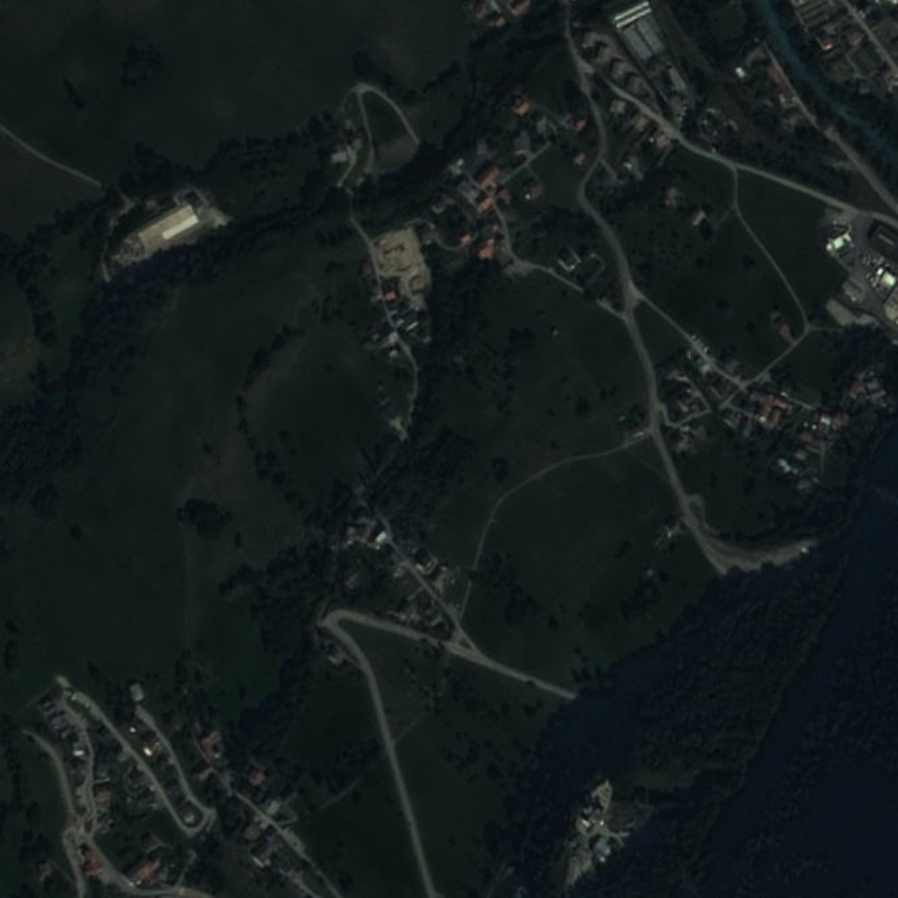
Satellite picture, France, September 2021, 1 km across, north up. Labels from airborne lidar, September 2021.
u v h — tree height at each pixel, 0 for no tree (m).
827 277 0
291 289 0
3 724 24
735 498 0
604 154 0
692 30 19
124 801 6
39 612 0
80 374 7
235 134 0
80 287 0
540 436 0
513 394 7
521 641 0
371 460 0
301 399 0
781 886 19
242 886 0
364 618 0
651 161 13
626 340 0
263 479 11
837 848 23
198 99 0
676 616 0
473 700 8
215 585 0
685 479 0
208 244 10
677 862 28
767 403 0
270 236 8
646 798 12
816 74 25
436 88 10
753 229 0
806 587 9
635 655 0
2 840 12
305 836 0
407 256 0
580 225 9
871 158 26
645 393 0
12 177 0
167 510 0
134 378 0
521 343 15
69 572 0
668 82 6
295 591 16
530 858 8
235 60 0
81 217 13
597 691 9
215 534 10
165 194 10
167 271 25
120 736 0
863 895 28
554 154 0
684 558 0
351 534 0
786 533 12
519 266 0
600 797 0
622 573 0
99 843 0
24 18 0
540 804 24
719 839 6
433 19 0
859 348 17
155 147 0
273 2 0
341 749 0
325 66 0
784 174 6
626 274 0
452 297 17
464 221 8
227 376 0
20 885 0
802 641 20
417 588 0
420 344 9
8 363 0
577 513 0
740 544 9
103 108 0
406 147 0
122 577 0
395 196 25
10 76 0
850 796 17
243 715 0
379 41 0
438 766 0
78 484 0
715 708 22
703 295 0
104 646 0
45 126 0
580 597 0
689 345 0
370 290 7
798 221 0
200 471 0
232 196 0
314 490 0
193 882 11
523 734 0
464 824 0
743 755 21
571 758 22
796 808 27
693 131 13
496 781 17
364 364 0
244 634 0
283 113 0
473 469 0
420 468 7
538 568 0
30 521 0
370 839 0
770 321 0
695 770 17
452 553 0
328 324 9
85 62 0
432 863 0
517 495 0
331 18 0
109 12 0
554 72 0
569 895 0
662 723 24
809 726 21
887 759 21
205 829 0
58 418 25
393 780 0
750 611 19
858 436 0
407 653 0
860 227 0
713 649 17
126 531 0
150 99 0
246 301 0
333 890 0
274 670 0
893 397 11
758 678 25
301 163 0
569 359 0
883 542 6
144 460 0
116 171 0
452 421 0
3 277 10
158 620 0
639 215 13
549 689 0
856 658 28
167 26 0
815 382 0
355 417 0
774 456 7
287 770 15
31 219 0
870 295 0
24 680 0
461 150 16
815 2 0
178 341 0
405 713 0
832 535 8
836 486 0
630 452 0
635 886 18
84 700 0
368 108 0
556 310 0
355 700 0
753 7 20
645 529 0
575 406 0
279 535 0
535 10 10
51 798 0
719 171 0
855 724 25
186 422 0
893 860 15
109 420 0
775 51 7
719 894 19
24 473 23
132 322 29
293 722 20
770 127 6
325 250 10
